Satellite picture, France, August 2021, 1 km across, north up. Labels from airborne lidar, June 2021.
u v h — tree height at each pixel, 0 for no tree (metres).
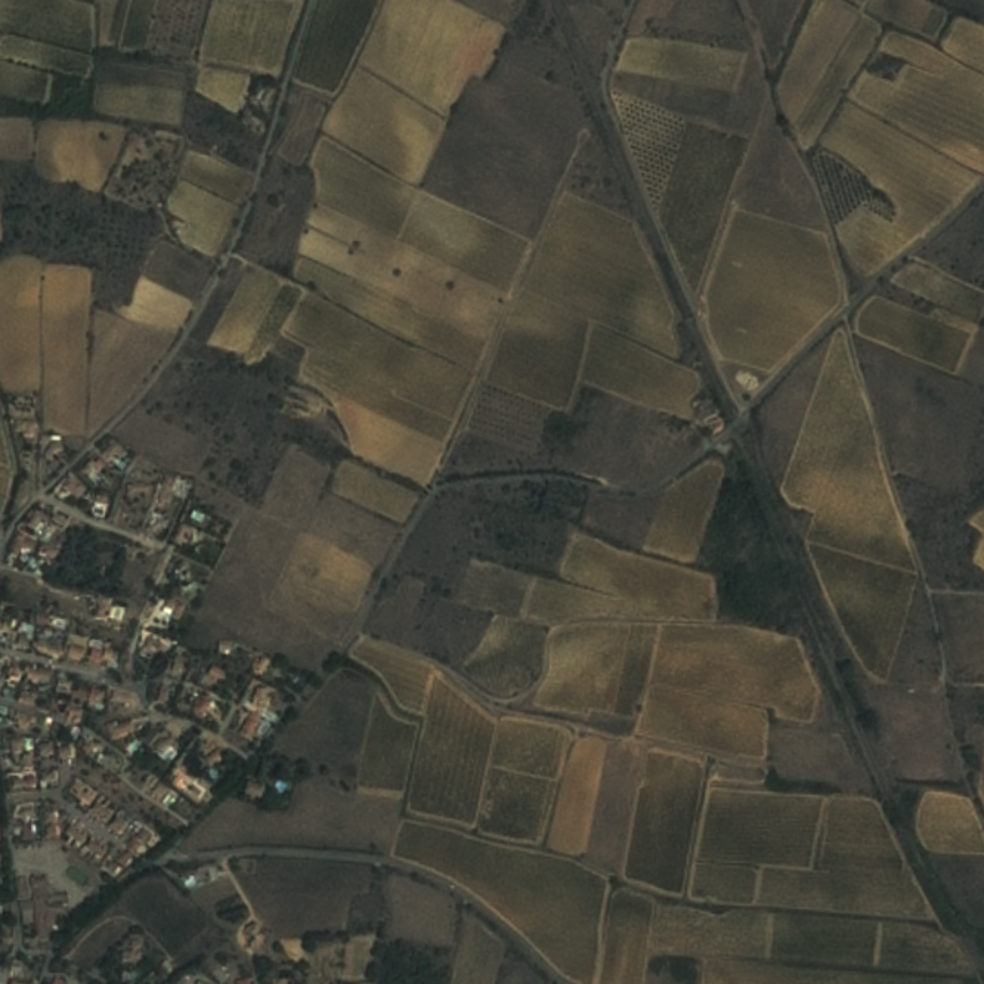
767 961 0
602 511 0
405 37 0
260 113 12
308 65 0
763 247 0
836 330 0
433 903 0
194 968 10
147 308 0
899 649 0
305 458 0
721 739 0
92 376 0
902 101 0
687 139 0
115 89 0
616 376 0
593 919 0
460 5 0
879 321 0
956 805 0
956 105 0
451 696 0
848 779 0
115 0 0
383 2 0
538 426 0
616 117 0
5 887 7
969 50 0
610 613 0
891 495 0
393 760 0
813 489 0
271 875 0
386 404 0
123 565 12
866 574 0
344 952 5
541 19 0
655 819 0
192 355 0
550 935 0
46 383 0
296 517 0
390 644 0
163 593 10
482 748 0
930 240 0
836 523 0
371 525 0
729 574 8
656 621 0
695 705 0
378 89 0
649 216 0
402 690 0
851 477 0
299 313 0
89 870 0
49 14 0
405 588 0
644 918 0
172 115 0
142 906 0
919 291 0
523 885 0
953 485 0
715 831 0
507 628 0
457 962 0
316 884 0
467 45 0
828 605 0
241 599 0
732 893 0
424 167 0
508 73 0
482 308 0
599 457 0
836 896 0
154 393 0
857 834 0
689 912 0
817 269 0
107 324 0
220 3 0
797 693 0
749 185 0
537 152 0
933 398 0
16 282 0
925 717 0
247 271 0
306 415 0
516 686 0
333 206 0
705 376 0
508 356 0
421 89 0
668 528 0
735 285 0
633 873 0
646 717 0
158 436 0
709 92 0
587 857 0
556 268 0
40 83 0
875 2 0
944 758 0
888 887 0
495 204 0
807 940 0
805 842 0
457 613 0
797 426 0
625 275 0
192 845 0
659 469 0
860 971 0
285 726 9
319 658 0
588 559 0
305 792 0
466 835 0
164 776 6
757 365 0
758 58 0
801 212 0
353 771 0
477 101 0
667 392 0
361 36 0
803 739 0
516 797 0
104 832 0
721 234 0
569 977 0
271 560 0
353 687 0
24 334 0
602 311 0
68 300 0
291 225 0
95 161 0
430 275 0
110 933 0
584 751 0
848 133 0
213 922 0
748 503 13
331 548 0
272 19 0
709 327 0
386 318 0
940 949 0
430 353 0
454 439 0
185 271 0
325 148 0
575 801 0
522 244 0
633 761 0
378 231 0
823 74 0
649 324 0
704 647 0
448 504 0
